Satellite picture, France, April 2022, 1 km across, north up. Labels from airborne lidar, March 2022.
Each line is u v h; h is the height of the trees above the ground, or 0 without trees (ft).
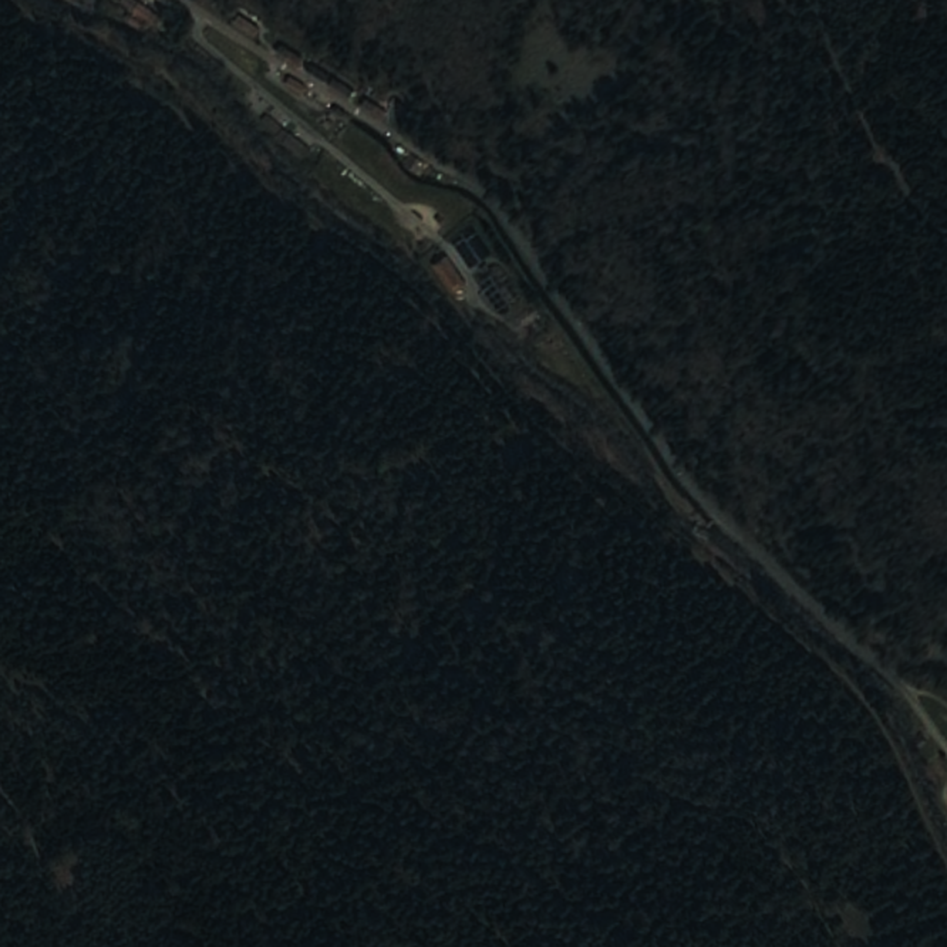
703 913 64
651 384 87
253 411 97
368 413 106
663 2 115
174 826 93
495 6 99
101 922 85
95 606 37
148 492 104
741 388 97
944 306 79
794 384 99
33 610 122
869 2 58
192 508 74
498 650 132
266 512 79
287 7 89
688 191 93
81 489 127
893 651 58
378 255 42
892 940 30
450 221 0
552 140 49
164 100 48
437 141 94
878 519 116
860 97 73
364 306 100
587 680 51
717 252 66
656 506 26
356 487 104
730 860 48
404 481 101
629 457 59
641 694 106
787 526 90
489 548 66
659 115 117
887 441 82
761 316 92
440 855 117
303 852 86
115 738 100
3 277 111
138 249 69
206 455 127
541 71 0
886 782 104
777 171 88
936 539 76
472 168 45
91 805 39
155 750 70
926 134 44
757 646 107
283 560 141
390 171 0
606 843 74
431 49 101
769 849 49
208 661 52
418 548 117
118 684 48
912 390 87
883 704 69
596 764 109
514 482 55
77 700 39
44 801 44
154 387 69
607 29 38
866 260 84
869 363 87
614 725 119
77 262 49
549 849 132
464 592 107
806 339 78
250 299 104
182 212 92
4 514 113
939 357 71
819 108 109
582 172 93
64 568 41
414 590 115
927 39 60
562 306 0
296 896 111
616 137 82
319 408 89
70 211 114
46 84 96
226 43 0
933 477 73
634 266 104
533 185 93
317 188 38
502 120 89
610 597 62
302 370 98
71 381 115
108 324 90
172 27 64
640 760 60
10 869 117
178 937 89
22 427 124
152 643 23
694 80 69
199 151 95
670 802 134
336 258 102
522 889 120
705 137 95
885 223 36
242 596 81
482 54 116
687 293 82
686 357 104
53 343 83
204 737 36
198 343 89
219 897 81
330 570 80
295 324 85
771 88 111
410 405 72
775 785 101
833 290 87
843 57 37
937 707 0
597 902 129
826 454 93
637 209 104
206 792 26
